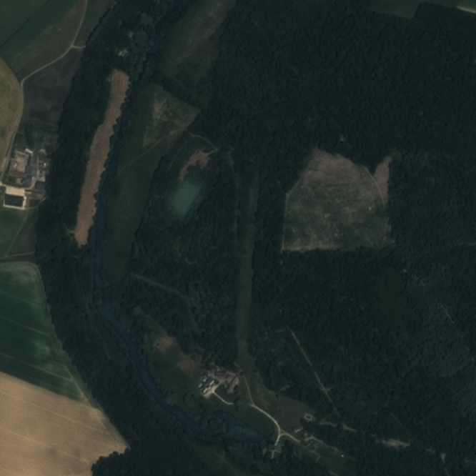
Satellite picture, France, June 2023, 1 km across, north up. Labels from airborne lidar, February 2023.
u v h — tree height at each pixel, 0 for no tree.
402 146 21
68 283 23
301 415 0
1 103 0
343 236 0
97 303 10
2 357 0
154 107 0
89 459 0
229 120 13
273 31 12
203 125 15
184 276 13
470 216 14
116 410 19
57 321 16
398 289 0
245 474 0
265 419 0
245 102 21
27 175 0
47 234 11
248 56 11
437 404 16
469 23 20
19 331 0
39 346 0
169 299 13
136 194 0
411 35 23
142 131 0
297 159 12
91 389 10
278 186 17
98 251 0
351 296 13
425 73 16
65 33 0
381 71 25
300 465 13
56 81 0
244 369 0
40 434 0
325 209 0
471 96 17
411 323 12
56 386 0
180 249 11
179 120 0
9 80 0
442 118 21
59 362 0
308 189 0
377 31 20
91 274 19
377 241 0
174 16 13
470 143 19
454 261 13
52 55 0
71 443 0
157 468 18
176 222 8
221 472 0
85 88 16
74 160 20
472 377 11
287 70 12
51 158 7
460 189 13
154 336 23
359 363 18
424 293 16
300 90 25
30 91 0
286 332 6
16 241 0
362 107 17
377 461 13
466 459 18
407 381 18
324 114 14
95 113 19
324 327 17
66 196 22
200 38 0
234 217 16
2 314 0
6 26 0
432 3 0
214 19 0
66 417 0
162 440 20
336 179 0
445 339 16
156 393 0
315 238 0
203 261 13
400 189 20
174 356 0
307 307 18
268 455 12
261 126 23
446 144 18
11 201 0
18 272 0
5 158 0
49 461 0
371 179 0
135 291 13
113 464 20
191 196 0
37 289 0
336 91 18
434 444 17
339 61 19
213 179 6
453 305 13
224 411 0
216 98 14
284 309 18
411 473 19
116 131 8
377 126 16
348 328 21
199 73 0
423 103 20
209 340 17
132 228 0
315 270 12
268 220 23
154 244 15
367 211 0
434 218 16
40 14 0
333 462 0
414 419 14
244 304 0
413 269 13
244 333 0
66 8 0
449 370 14
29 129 8
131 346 0
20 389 0
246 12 17
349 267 14
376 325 17
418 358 17
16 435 0
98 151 0
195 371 0
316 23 14
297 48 13
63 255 15
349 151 21
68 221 15
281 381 20
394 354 19
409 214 14
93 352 26
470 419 17
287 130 21
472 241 14
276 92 18
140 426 21
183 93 18
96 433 0
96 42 14
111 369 21
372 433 14
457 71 18
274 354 14
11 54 0
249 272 0
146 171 0
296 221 0
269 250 20
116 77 0
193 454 18
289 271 12
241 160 10
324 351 9
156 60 13
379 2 0
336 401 14
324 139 21
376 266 19
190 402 19
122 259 0
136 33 8
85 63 13
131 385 16
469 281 15
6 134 0
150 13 19
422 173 14
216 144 8
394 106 17
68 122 22
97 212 0
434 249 16
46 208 7
